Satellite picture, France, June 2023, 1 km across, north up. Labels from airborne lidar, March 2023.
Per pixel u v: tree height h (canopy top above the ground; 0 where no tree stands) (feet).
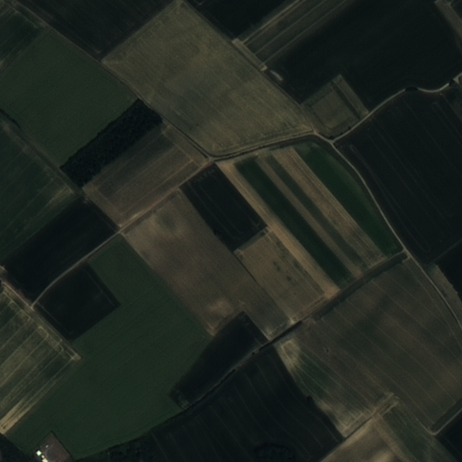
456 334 0
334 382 0
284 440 0
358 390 0
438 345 0
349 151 0
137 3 0
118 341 0
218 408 0
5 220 0
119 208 0
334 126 0
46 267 0
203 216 0
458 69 0
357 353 0
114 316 0
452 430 0
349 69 0
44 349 0
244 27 0
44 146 0
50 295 0
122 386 0
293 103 0
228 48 0
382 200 0
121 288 0
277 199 0
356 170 0
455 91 0
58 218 0
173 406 0
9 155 0
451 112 0
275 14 0
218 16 0
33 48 0
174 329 0
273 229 0
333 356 0
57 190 0
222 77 0
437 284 0
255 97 0
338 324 0
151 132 0
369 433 0
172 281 0
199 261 0
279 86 0
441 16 0
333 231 0
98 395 0
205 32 0
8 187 0
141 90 0
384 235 0
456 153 0
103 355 0
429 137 0
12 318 0
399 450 0
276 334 0
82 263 0
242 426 0
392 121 0
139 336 0
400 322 0
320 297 0
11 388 0
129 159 0
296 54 0
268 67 0
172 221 0
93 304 0
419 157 0
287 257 0
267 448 55
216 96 0
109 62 0
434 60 0
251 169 0
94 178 0
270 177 0
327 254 0
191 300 0
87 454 0
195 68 0
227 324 0
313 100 0
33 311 0
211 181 0
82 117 0
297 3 0
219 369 0
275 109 0
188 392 0
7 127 0
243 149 0
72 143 0
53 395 0
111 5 0
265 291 0
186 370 0
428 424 0
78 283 0
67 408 0
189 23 0
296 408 0
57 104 0
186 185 0
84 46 0
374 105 0
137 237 0
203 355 0
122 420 0
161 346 0
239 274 0
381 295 0
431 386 0
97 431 0
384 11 0
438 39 0
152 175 0
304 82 0
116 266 0
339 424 0
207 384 0
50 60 0
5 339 0
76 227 0
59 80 0
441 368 0
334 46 0
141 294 0
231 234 0
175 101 0
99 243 0
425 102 0
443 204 0
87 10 0
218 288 0
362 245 0
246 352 0
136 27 0
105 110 0
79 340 0
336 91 0
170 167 0
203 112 0
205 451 0
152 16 0
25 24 0
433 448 0
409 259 0
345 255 0
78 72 0
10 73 0
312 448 0
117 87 0
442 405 0
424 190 0
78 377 0
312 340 0
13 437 0
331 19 0
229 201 0
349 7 0
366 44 0
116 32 0
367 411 0
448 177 0
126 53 0
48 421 0
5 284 0
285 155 0
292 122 0
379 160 0
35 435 0
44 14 0
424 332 0
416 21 0
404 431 0
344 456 0
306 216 0
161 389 0
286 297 0
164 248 0
